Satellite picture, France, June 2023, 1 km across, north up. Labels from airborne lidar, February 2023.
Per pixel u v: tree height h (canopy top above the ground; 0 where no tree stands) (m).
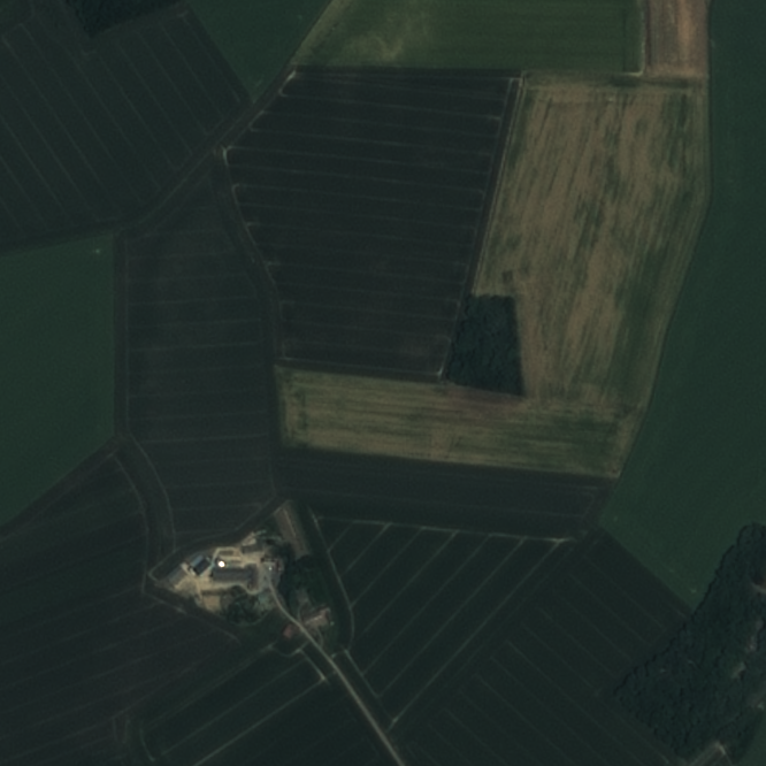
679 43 0
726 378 0
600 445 0
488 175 0
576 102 0
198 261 0
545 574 0
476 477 0
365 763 0
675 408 0
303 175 0
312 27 0
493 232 0
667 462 0
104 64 0
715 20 0
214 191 0
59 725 0
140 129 0
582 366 0
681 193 0
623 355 0
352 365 0
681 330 0
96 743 0
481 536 0
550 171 0
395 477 0
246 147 0
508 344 15
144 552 0
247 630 0
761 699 0
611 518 0
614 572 0
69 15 0
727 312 0
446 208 0
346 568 0
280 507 0
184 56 0
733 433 0
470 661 0
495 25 0
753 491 0
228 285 0
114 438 0
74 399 0
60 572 0
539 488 0
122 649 0
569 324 0
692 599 0
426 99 0
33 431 0
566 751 0
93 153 0
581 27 0
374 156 0
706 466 0
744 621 14
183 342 0
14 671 0
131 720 0
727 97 0
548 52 0
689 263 0
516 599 0
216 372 0
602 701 0
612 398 0
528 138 0
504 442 0
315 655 0
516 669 0
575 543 0
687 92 0
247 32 0
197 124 0
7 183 0
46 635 0
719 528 0
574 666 0
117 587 0
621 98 0
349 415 0
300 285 0
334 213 0
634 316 0
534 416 0
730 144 0
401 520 0
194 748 0
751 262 0
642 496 0
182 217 0
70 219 0
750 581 18
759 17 0
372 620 0
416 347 0
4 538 0
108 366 0
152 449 0
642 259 0
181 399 0
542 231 0
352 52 0
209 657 0
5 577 0
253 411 0
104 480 0
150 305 0
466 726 0
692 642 15
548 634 0
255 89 0
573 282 0
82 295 0
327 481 0
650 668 15
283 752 0
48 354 0
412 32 0
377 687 0
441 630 0
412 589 0
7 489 0
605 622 0
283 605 0
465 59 0
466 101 0
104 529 0
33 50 0
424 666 0
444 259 0
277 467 0
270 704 0
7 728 0
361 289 0
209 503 0
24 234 0
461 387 13
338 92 0
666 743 15
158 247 0
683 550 0
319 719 0
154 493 0
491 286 0
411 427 0
